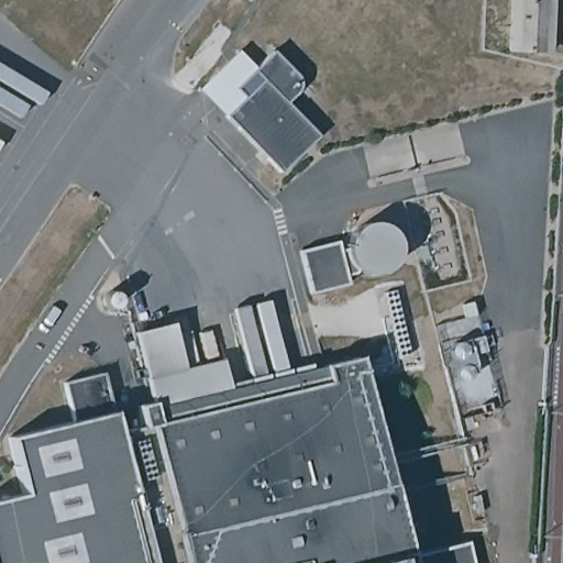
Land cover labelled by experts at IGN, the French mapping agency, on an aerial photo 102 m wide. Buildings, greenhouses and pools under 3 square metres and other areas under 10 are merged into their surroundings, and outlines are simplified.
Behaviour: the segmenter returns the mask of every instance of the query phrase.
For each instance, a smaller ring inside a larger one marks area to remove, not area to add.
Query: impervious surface
[[[523,95],[521,99],[521,103],[510,108],[495,108],[484,114],[457,119],[455,123],[438,123],[429,128],[418,130],[385,136],[380,143],[356,143],[347,147],[334,147],[330,152],[321,152],[321,145],[341,139],[334,125],[328,132],[321,132],[306,152],[301,152],[290,165],[282,167],[273,156],[266,154],[266,150],[253,139],[249,130],[240,125],[233,112],[222,112],[205,92],[191,92],[191,81],[198,81],[202,73],[207,73],[216,64],[216,59],[222,53],[222,44],[229,37],[229,29],[216,26],[191,59],[183,51],[183,37],[187,29],[202,15],[207,4],[220,4],[220,0],[114,0],[112,11],[106,15],[103,24],[99,26],[90,44],[84,48],[88,57],[84,57],[79,66],[70,66],[68,70],[53,62],[44,51],[40,51],[7,15],[0,15],[0,277],[4,277],[18,262],[20,253],[24,251],[37,227],[44,222],[46,213],[51,211],[51,207],[55,205],[66,185],[77,183],[84,187],[86,194],[92,194],[101,202],[110,205],[110,218],[101,227],[101,235],[90,244],[90,249],[64,284],[57,299],[57,308],[53,308],[42,321],[29,325],[22,341],[13,347],[7,365],[0,367],[0,486],[4,486],[9,479],[15,479],[13,460],[9,457],[7,449],[7,438],[18,438],[24,433],[70,422],[70,409],[66,407],[62,385],[70,383],[70,376],[75,372],[103,363],[117,363],[128,350],[141,352],[139,332],[178,323],[183,330],[185,352],[191,367],[229,361],[233,380],[246,380],[251,378],[251,372],[246,367],[244,352],[242,347],[233,345],[233,334],[238,334],[233,310],[273,301],[290,367],[312,363],[319,367],[328,367],[332,363],[350,358],[372,358],[400,475],[409,495],[413,523],[420,539],[420,545],[413,550],[411,556],[416,563],[563,563],[563,75],[559,75],[556,84],[539,84],[539,92],[534,92],[532,99],[528,95]],[[301,158],[308,156],[312,156],[308,169],[299,174],[297,183],[282,189],[284,176]],[[310,295],[299,253],[303,249],[328,242],[343,242],[345,246],[350,246],[352,235],[345,231],[350,213],[361,213],[361,220],[369,220],[369,224],[396,224],[405,233],[409,246],[398,253],[396,262],[389,268],[385,268],[387,275],[354,275],[345,284],[317,288],[314,295]],[[548,345],[545,277],[550,268],[554,268],[552,297],[556,297],[561,321],[556,334],[559,341]],[[490,418],[460,418],[449,367],[444,363],[440,345],[442,336],[462,336],[475,328],[497,332],[495,336],[488,336],[488,352],[484,352],[479,361],[484,367],[490,369],[493,380],[506,380],[508,391],[508,405],[490,411]],[[400,394],[400,385],[418,387],[420,378],[429,383],[433,394],[433,400],[424,411],[418,407],[416,398],[407,398]],[[534,468],[534,427],[539,416],[545,416],[548,429],[545,486],[550,490],[550,506],[548,523],[543,523],[543,532],[548,534],[545,552],[532,554],[528,550],[528,541]]]

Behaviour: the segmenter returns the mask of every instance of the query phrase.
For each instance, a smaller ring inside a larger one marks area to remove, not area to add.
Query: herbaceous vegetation
[[[222,53],[216,59],[216,64],[207,73],[202,73],[198,81],[191,81],[191,92],[205,92],[205,86],[238,53],[246,53],[257,64],[264,59],[264,51],[268,46],[275,46],[295,64],[295,68],[303,75],[303,81],[310,84],[308,95],[297,99],[297,108],[321,132],[328,132],[334,125],[341,139],[363,136],[374,128],[389,128],[402,123],[416,123],[418,130],[429,128],[427,119],[433,117],[451,117],[451,112],[457,110],[495,106],[497,101],[510,101],[515,97],[521,99],[523,95],[528,95],[532,99],[534,92],[539,92],[539,84],[556,84],[559,75],[563,75],[563,44],[556,44],[545,53],[537,48],[532,48],[530,53],[510,51],[510,0],[220,0],[220,4],[207,4],[202,15],[187,29],[183,37],[183,51],[191,59],[216,26],[229,29],[229,37],[222,44]]]
[[[114,0],[0,0],[0,15],[7,15],[40,51],[44,51],[53,62],[68,70],[70,66],[79,66],[84,57],[88,57],[84,48],[90,44],[99,26],[103,24],[106,15],[112,11]]]
[[[37,227],[24,251],[20,253],[18,262],[4,277],[0,277],[0,367],[7,365],[13,347],[22,341],[29,325],[42,321],[53,308],[57,308],[57,299],[64,284],[90,249],[90,244],[101,235],[101,227],[110,218],[110,205],[101,202],[92,194],[86,194],[84,187],[77,183],[66,185],[55,205],[51,207],[51,211],[46,213],[44,222]]]

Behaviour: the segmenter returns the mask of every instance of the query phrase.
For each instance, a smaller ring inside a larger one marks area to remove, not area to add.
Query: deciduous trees
[[[429,383],[420,378],[418,387],[400,385],[400,394],[407,398],[416,398],[418,407],[424,411],[433,400],[433,394]]]

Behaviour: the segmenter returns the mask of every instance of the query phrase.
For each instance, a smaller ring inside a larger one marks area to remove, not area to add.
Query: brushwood
[[[559,341],[556,334],[561,321],[556,297],[552,297],[554,268],[550,268],[545,277],[548,345]]]
[[[284,176],[282,189],[297,183],[299,174],[308,169],[312,156],[308,156],[301,158]]]
[[[543,523],[548,523],[550,506],[550,490],[545,486],[548,429],[545,416],[539,416],[534,427],[534,468],[528,541],[528,550],[532,554],[545,552],[548,534],[543,532]]]
[[[330,152],[334,147],[347,147],[356,143],[380,143],[385,136],[418,130],[416,123],[402,123],[389,128],[374,128],[363,136],[341,139],[321,145],[321,152]]]
[[[484,114],[495,108],[510,108],[521,103],[521,99],[515,97],[510,101],[497,101],[495,106],[457,110],[451,112],[451,117],[433,117],[427,119],[429,128],[438,123],[455,123],[457,119]]]

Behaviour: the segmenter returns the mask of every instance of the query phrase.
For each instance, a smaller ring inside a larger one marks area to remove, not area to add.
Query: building
[[[310,295],[314,295],[317,288],[345,284],[354,275],[387,275],[385,268],[389,268],[396,262],[398,253],[409,246],[405,233],[396,224],[369,224],[369,220],[361,220],[361,213],[350,213],[345,231],[352,235],[350,246],[345,246],[343,242],[328,242],[303,249],[299,253]]]
[[[490,411],[508,405],[508,391],[506,380],[493,380],[490,369],[484,367],[479,361],[484,352],[488,352],[488,336],[495,336],[497,332],[475,328],[462,336],[442,336],[440,345],[444,363],[449,367],[460,418],[490,418]]]
[[[128,350],[117,363],[103,363],[75,372],[70,376],[70,383],[62,385],[66,407],[70,409],[70,422],[24,433],[18,438],[7,438],[7,449],[9,457],[13,460],[15,479],[9,479],[4,486],[0,486],[0,563],[416,563],[411,556],[413,550],[420,545],[420,539],[413,523],[409,495],[400,475],[372,358],[350,358],[332,363],[328,367],[319,367],[312,363],[290,367],[273,301],[233,310],[238,334],[233,334],[233,345],[242,347],[244,352],[246,367],[251,372],[251,378],[246,380],[233,380],[229,361],[191,367],[185,352],[183,330],[178,323],[139,332],[141,352]]]
[[[303,75],[295,68],[295,64],[275,46],[268,46],[264,51],[264,59],[257,64],[246,53],[238,53],[205,86],[205,92],[222,112],[233,112],[240,125],[249,130],[253,139],[266,150],[266,154],[273,156],[282,167],[290,165],[301,152],[306,152],[321,132],[297,108],[297,99],[308,95],[310,84],[303,81]]]
[[[563,44],[563,0],[510,0],[510,51],[530,53],[532,48],[537,48],[545,53],[556,44]]]

